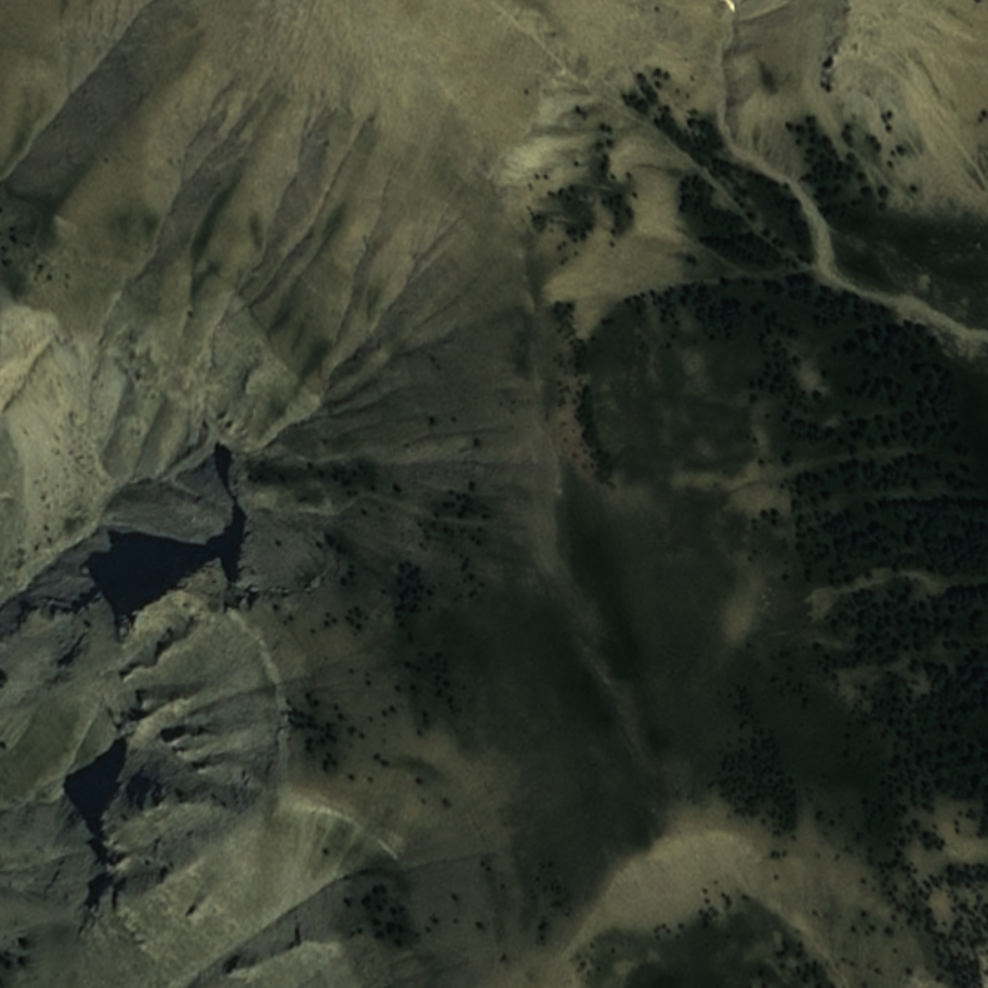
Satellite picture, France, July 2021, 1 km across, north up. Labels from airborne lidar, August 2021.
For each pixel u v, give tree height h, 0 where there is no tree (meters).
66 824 0
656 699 0
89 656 0
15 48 0
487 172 0
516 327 0
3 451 0
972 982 7
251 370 0
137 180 0
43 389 0
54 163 0
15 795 0
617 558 0
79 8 0
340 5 0
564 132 0
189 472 0
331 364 0
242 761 0
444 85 0
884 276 0
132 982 0
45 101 0
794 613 0
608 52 0
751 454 0
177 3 0
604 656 0
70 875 0
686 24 0
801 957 8
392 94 0
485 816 0
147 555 0
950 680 14
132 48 0
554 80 0
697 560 0
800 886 0
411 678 0
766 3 0
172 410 0
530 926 0
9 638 0
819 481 18
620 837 0
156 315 0
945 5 0
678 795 0
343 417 0
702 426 0
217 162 0
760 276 0
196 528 0
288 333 0
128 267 0
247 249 0
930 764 12
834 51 0
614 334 0
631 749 0
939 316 0
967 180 0
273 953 0
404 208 0
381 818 0
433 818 0
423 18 0
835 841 0
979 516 14
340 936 0
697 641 0
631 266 0
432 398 0
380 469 0
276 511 0
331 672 0
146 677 0
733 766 6
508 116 0
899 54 0
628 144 0
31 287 0
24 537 0
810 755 0
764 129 0
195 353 0
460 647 0
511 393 0
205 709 0
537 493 0
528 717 0
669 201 0
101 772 0
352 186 0
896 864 9
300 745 0
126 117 0
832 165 11
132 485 0
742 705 8
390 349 0
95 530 0
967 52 0
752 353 0
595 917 0
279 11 0
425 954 0
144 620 0
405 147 0
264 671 0
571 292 0
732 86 0
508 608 0
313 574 0
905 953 0
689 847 0
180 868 0
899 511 15
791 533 0
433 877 0
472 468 0
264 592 0
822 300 15
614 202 11
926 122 0
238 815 0
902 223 0
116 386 0
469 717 0
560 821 0
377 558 0
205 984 0
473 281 0
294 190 0
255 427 0
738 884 0
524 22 0
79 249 0
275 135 0
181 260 0
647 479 0
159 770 0
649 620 0
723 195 0
